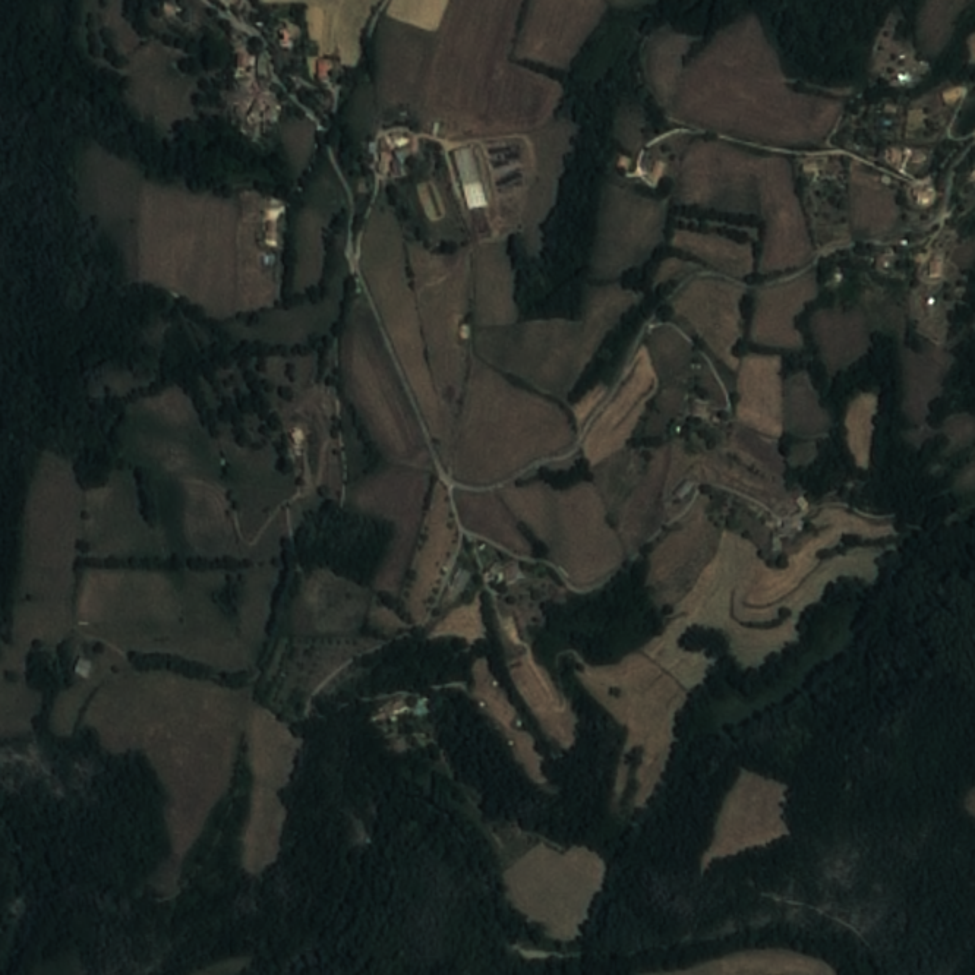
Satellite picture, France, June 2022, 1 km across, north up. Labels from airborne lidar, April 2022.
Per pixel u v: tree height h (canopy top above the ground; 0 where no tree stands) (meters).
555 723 0
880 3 12
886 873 7
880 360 18
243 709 0
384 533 14
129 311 13
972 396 9
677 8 13
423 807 16
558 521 0
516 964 24
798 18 13
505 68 0
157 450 0
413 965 16
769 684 19
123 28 0
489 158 0
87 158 0
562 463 0
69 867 20
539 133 0
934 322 0
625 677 0
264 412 13
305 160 0
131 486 0
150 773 10
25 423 15
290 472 28
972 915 8
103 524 0
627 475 0
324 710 12
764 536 0
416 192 0
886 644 21
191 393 13
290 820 8
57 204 18
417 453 0
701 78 0
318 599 0
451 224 0
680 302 0
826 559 11
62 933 9
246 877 13
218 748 0
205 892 9
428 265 0
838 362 0
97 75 13
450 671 13
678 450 0
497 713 0
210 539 0
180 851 0
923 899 12
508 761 17
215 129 17
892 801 11
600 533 0
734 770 15
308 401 0
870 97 13
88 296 9
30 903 7
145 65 0
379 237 0
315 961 18
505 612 0
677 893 15
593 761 17
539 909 0
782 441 9
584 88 12
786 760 19
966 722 14
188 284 0
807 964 0
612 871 20
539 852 0
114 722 0
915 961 9
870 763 12
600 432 0
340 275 0
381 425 0
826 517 0
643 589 7
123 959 13
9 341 13
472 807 0
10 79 16
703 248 0
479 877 14
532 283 14
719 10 11
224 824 6
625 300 0
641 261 0
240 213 0
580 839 19
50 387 23
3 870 10
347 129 10
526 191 0
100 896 15
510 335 0
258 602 0
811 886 6
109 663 0
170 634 0
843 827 6
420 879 16
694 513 0
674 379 0
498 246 0
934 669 23
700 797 10
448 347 0
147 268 0
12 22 12
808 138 0
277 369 0
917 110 0
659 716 0
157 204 0
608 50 0
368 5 0
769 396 0
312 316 0
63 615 0
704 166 0
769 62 0
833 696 19
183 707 0
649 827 20
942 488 11
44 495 0
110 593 0
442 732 7
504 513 0
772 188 0
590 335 0
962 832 11
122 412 11
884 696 15
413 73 0
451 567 0
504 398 0
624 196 0
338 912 13
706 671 0
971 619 24
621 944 34
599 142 10
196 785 0
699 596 0
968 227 7
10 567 17
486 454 0
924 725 14
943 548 28
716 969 0
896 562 28
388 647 7
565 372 0
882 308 0
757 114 0
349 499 0
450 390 0
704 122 0
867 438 0
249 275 0
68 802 9
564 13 0
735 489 0
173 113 0
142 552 0
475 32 0
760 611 0
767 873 9
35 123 17
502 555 11
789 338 0
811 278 0
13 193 13
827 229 0
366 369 0
